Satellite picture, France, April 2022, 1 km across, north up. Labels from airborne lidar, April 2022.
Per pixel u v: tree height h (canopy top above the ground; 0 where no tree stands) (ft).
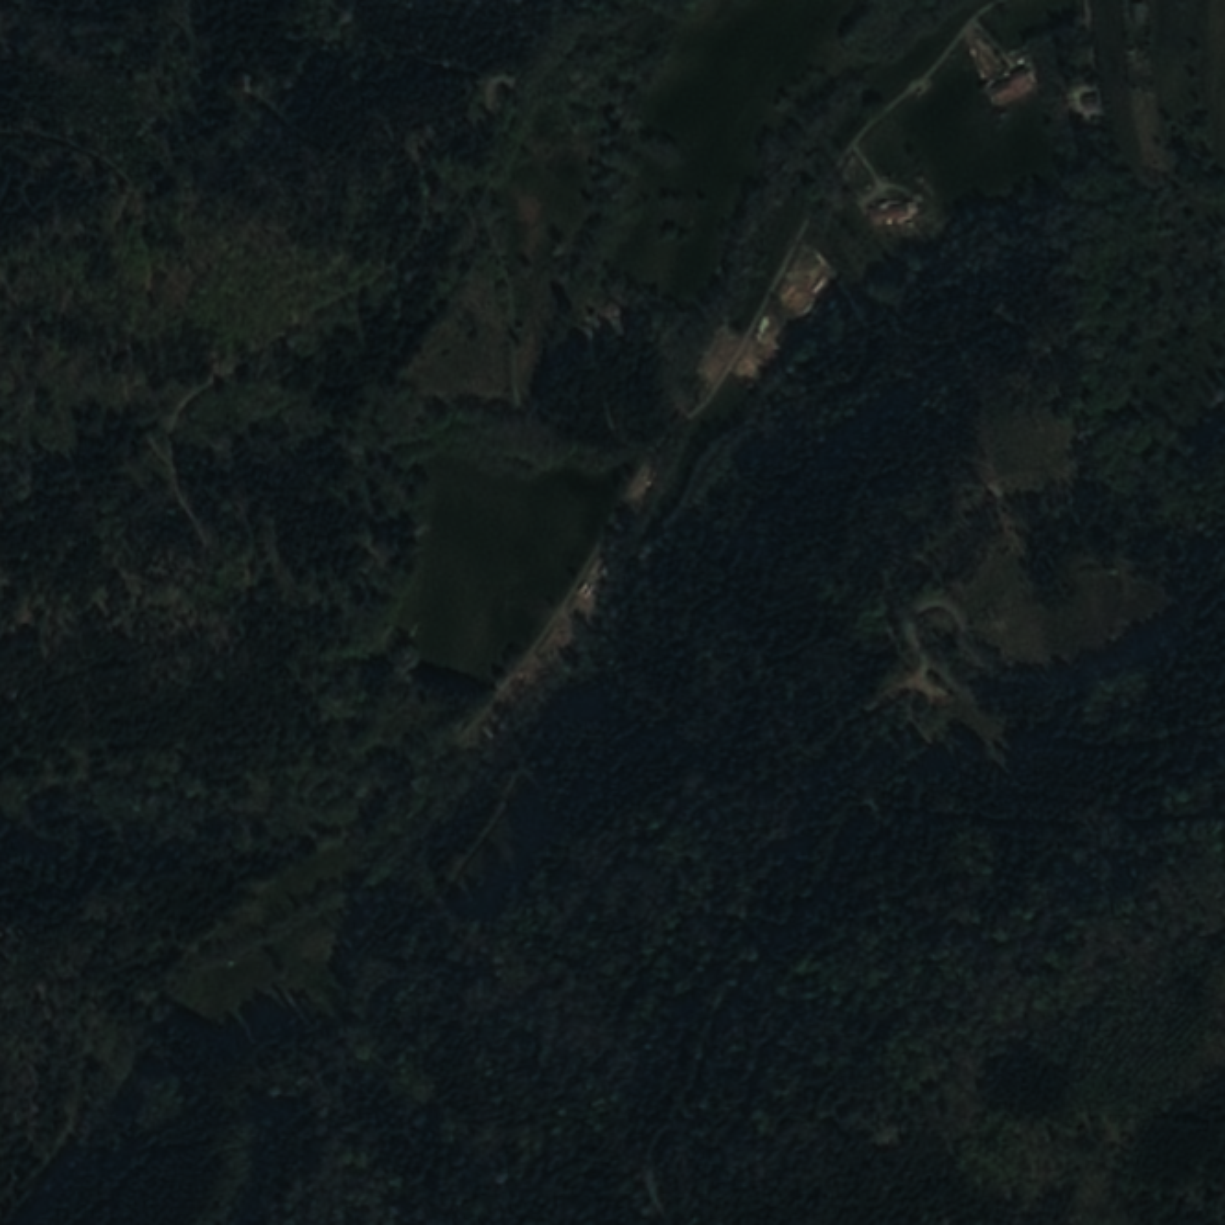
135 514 77
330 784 85
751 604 96
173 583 51
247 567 31
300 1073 88
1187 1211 64
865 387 49
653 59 56
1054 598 121
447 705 18
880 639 63
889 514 44
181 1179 102
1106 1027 62
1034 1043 65
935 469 49
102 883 77
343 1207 107
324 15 61
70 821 96
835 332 93
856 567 32
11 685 73
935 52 0
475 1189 118
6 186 73
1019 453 0
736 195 0
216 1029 0
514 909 86
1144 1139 53
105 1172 89
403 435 83
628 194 80
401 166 71
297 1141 93
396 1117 116
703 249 0
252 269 79
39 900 55
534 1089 70
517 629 0
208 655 70
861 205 0
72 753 33
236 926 97
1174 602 0
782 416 55
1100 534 51
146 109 53
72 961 85
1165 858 99
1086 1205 58
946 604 0
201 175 74
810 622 74
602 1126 69
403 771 93
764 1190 64
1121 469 66
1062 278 70
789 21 0
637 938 87
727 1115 69
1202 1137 64
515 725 98
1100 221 60
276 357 54
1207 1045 60
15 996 84
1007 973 98
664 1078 90
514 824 0
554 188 0
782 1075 54
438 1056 76
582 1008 85
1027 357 68
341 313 41
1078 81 37
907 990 76
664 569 56
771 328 0
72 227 51
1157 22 0
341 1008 0
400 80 63
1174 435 48
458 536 0
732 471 45
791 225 0
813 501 86
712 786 81
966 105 0
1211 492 46
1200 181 47
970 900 108
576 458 50
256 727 82
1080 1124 31
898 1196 72
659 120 0
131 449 57
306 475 58
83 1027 84
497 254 59
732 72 0
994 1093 61
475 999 91
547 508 0
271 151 51
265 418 32
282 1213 86
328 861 0
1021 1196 60
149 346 64
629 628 63
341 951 0
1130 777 80
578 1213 76
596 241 82
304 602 66
